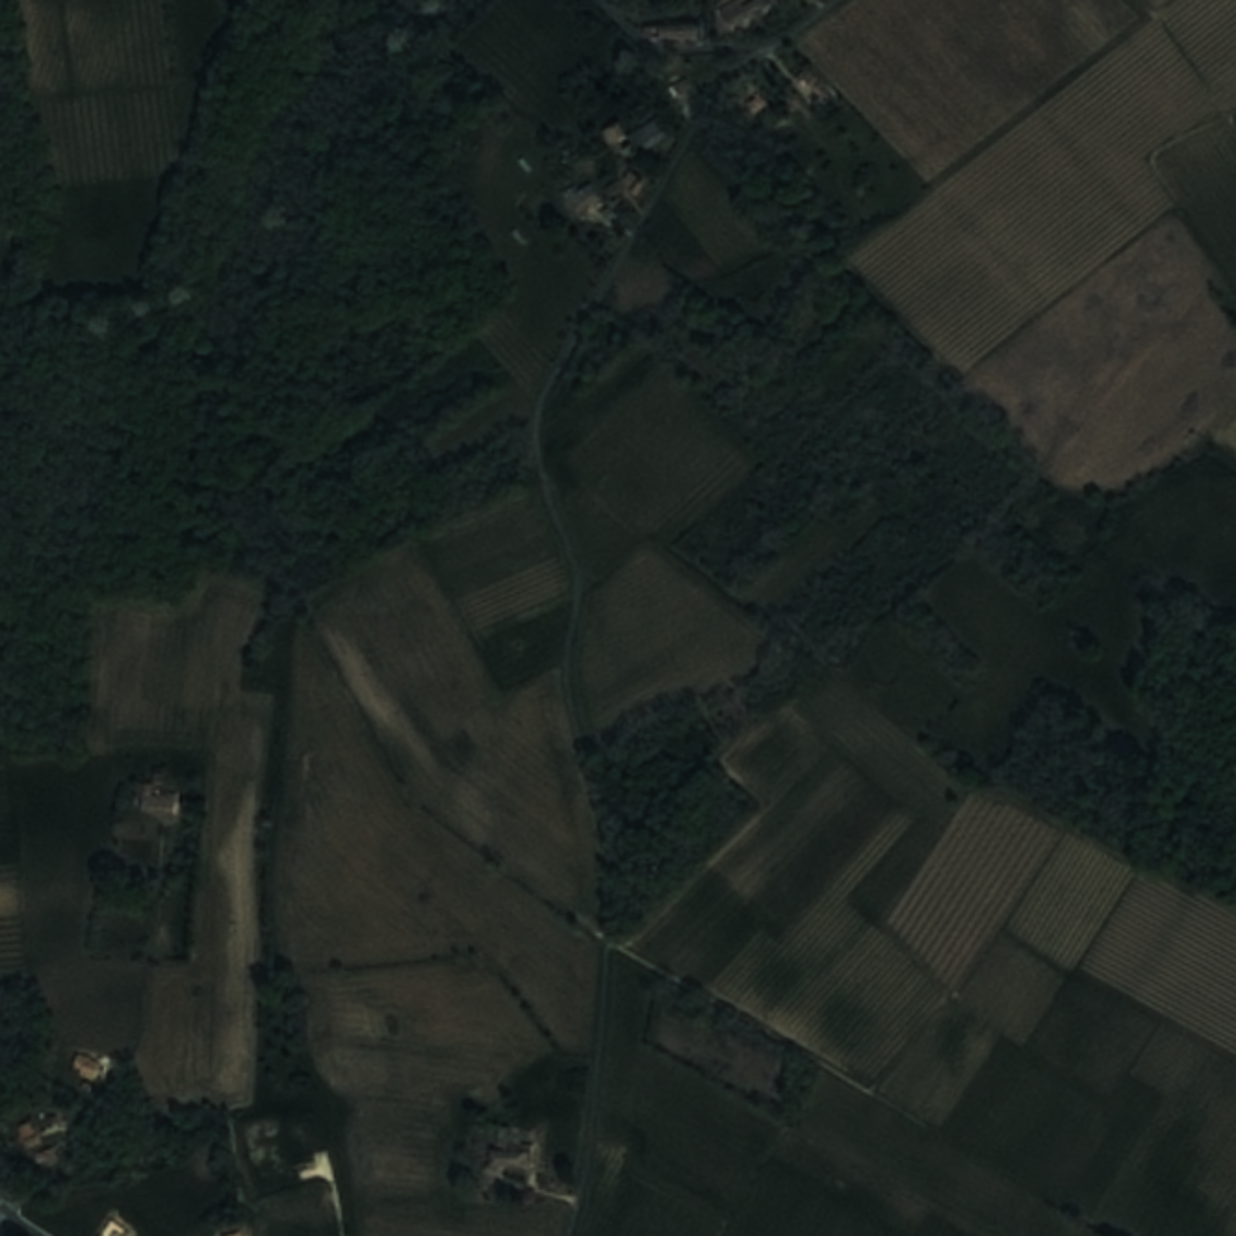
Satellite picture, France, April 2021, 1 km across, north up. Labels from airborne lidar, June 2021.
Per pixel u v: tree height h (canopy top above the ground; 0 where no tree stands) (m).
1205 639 24
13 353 23
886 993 0
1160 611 23
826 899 0
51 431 24
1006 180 0
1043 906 0
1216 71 0
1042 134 0
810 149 0
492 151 0
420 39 24
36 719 25
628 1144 0
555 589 0
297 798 0
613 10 17
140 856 0
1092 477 0
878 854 0
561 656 0
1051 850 0
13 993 18
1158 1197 0
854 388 10
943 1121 0
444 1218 0
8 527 23
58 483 23
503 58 0
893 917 0
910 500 6
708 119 22
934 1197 0
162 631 0
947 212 0
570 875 0
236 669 0
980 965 0
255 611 0
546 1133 0
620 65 13
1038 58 0
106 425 25
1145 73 0
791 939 0
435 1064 0
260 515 19
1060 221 0
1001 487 10
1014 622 0
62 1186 21
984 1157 0
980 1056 0
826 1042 0
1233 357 0
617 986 0
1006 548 14
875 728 0
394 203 25
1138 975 0
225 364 28
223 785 0
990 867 0
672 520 0
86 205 0
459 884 0
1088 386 0
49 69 0
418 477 24
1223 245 0
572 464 0
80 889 0
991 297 0
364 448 11
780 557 13
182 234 13
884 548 9
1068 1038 0
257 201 24
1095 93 0
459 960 9
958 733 0
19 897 0
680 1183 0
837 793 0
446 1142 0
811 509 12
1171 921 0
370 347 18
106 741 0
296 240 24
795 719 0
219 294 21
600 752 16
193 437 25
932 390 6
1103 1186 0
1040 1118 0
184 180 17
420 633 0
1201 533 0
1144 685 23
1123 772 25
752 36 7
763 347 19
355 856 0
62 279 0
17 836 0
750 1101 6
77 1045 0
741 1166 0
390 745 0
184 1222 0
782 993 0
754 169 25
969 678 14
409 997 0
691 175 0
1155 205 0
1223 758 23
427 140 28
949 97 0
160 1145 14
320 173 21
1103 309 0
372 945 0
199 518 28
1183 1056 0
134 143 0
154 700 0
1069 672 0
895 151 0
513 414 0
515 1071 0
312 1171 0
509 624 0
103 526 27
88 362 25
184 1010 0
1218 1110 0
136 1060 14
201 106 14
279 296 25
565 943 0
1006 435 23
